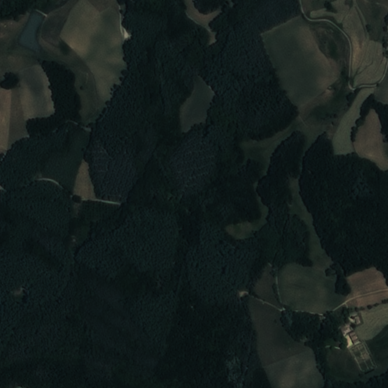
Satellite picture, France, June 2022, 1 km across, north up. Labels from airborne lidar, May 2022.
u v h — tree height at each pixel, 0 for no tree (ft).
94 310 34
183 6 66
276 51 0
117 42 0
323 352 71
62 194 61
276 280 0
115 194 38
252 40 64
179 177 43
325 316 47
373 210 66
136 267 79
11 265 91
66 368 67
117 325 35
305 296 0
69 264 105
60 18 0
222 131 112
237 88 95
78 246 21
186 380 55
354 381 0
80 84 0
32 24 0
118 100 69
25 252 60
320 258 0
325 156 72
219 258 111
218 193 76
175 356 53
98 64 0
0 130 0
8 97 0
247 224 0
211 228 98
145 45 65
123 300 41
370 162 50
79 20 0
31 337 70
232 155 70
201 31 62
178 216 66
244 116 49
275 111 66
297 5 57
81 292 30
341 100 0
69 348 64
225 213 86
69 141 53
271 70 72
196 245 73
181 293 62
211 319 65
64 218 66
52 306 94
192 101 0
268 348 0
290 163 84
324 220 76
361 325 0
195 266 108
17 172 76
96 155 42
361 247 67
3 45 0
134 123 70
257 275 63
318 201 80
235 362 77
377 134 0
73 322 60
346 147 0
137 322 78
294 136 58
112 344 42
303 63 0
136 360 44
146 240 85
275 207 61
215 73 92
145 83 72
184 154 50
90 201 24
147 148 55
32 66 0
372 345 0
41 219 66
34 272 96
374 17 0
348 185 63
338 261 79
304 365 0
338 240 73
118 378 58
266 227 40
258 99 59
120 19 0
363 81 0
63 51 0
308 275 0
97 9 0
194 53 50
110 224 61
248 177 79
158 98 72
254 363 52
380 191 77
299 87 0
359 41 0
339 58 0
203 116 0
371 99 48
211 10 54
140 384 57
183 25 63
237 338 51
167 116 74
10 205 63
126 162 51
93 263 91
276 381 0
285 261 26
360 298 0
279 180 87
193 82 78
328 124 0
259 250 72
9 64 0
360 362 0
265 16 67
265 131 76
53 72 54
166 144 58
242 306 50
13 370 62
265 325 0
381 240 60
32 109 0
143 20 69
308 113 0
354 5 0
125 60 54
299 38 0
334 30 0
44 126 61
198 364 49
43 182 47
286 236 33
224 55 91
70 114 56
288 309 34
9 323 113
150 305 81
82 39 0
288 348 0
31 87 0
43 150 63
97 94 0
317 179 70
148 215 106
